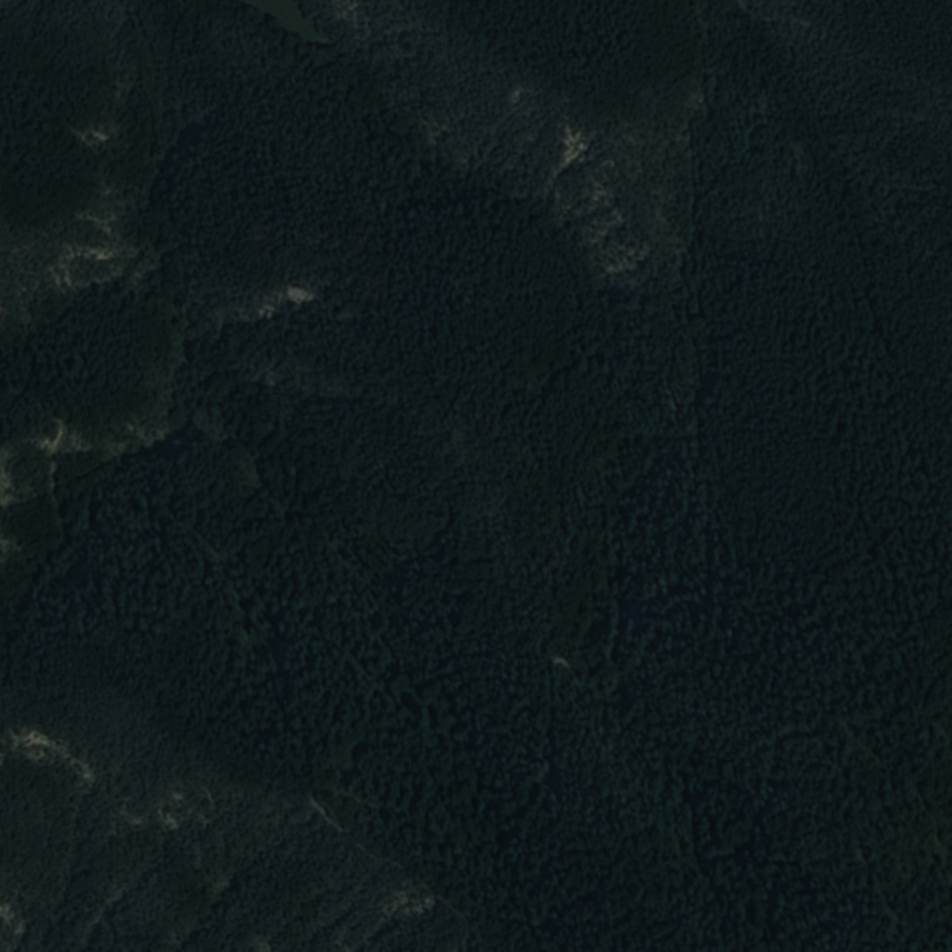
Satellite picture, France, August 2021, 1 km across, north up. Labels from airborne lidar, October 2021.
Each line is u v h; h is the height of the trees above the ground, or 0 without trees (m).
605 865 23
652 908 25
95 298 21
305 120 19
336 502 17
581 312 14
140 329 21
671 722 28
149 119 16
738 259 23
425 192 21
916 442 27
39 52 17
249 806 7
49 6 13
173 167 20
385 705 20
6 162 23
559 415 23
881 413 24
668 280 13
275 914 13
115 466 14
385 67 9
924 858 14
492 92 9
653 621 14
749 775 22
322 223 23
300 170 24
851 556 29
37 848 16
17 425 19
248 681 37
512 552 8
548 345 24
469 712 23
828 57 13
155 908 7
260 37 13
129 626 30
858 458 28
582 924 32
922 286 26
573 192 8
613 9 25
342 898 8
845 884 7
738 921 34
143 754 10
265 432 14
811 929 12
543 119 6
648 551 32
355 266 19
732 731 13
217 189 22
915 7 24
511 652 16
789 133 22
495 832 19
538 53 18
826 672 26
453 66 9
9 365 26
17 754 6
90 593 25
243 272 20
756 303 19
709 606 11
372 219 24
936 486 24
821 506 27
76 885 17
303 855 14
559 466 27
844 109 10
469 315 23
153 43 14
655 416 21
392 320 30
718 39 13
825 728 14
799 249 17
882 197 13
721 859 31
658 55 20
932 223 18
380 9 8
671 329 12
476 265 28
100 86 14
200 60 17
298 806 10
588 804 24
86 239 8
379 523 7
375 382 20
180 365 8
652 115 11
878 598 16
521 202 7
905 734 11
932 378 17
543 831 16
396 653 31
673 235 10
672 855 13
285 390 9
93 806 10
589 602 29
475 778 32
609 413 31
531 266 23
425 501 14
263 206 20
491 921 13
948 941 15
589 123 8
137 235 13
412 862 18
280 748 30
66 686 22
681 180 14
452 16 11
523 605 13
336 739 19
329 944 10
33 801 10
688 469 19
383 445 17
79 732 13
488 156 7
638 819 19
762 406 24
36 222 14
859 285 28
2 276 7
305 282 11
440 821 28
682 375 19
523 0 25
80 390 23
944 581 24
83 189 16
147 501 26
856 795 23
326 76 15
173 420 15
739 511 24
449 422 12
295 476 16
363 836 12
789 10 8
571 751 19
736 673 21
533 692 20
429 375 25
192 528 30
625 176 8
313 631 7
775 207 8
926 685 21
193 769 10
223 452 14
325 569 16
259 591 15
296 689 35
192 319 8
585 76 23
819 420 23
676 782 18
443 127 8
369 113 9
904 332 32
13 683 25
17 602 27
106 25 10
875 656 13
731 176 18
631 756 12
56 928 22
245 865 14
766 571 19
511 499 8
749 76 14
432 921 10
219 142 17
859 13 12
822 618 21
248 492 11
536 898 27
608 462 13
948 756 22
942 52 18
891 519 32
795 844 21
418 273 33
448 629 26
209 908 14
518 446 21
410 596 25
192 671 22
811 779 19
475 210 33
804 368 23
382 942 11
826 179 21
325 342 17
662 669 14
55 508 17
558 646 20
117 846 14
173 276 17
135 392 18
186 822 6
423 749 23
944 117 12
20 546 7
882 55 15
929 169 10
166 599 25
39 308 12
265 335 16
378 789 12
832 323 25
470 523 18
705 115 12
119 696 14
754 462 21
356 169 22
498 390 18
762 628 13
